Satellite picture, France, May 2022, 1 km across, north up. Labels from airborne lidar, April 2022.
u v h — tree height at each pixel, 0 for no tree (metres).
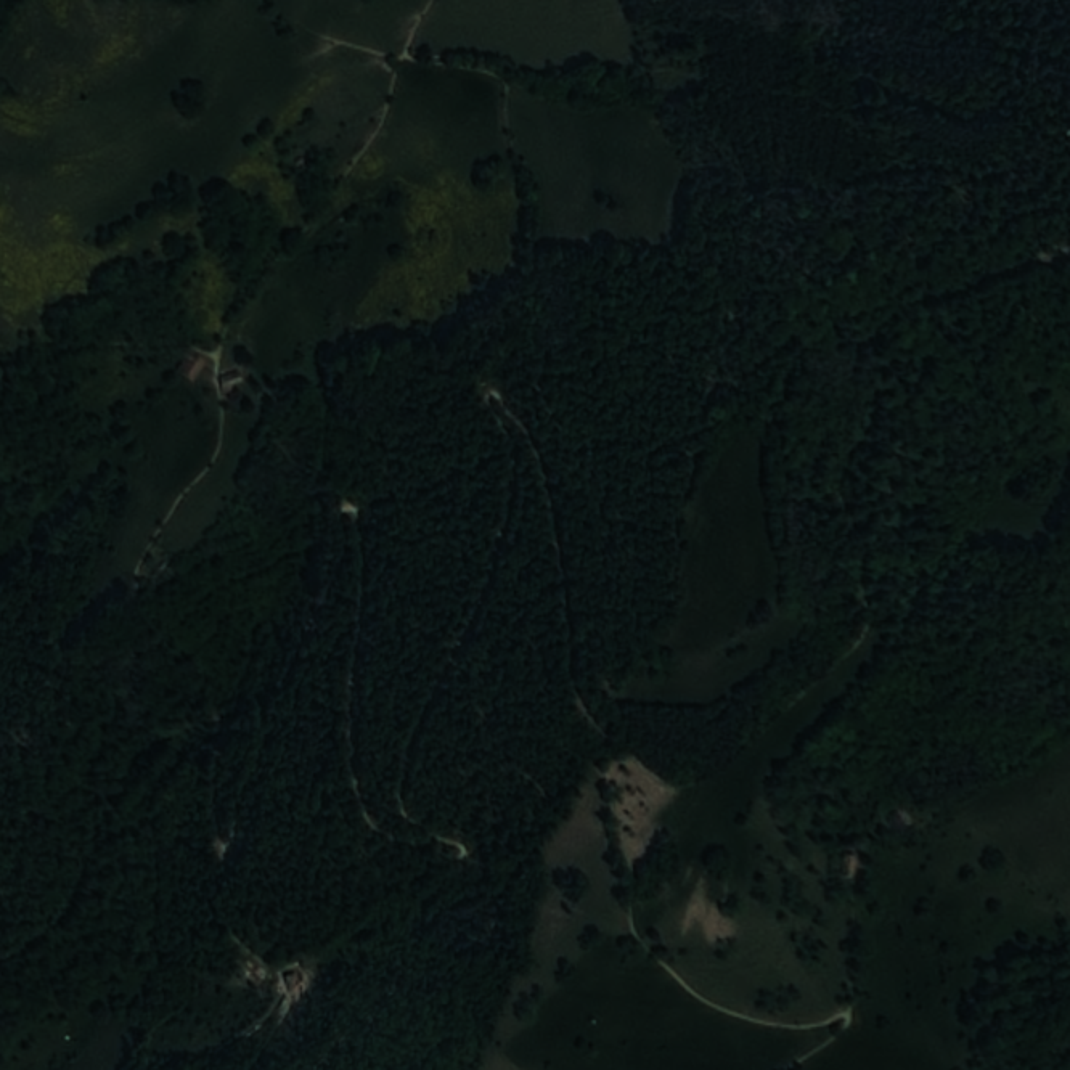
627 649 18
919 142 22
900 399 19
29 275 0
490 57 14
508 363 8
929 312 31
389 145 0
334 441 19
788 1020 0
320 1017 0
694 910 0
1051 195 24
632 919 0
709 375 17
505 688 20
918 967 0
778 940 0
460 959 22
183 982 8
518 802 22
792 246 25
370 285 0
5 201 0
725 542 0
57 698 22
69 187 0
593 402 19
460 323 18
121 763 25
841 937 0
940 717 16
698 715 17
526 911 22
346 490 16
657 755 15
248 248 18
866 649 0
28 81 0
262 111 0
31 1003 16
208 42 0
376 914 17
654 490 17
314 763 23
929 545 26
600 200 16
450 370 22
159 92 0
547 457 21
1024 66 30
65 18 0
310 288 0
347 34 0
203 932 25
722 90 11
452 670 15
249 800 7
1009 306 13
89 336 16
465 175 0
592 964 0
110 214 0
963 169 15
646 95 15
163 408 0
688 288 17
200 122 0
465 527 11
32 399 11
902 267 24
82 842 25
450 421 21
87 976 25
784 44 12
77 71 0
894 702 17
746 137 9
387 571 20
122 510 15
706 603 0
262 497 21
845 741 23
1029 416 28
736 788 0
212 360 0
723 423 14
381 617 20
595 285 9
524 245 18
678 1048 0
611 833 14
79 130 0
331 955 0
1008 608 28
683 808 0
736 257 29
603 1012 0
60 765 29
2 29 17
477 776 20
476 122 0
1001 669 31
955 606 29
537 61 0
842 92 7
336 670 20
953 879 0
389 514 13
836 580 13
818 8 31
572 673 18
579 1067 0
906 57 27
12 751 16
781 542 23
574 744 23
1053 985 36
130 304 19
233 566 7
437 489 19
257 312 0
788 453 26
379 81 0
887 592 28
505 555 23
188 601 11
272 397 8
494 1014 9
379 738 16
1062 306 27
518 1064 0
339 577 25
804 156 7
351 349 22
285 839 18
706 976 0
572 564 17
